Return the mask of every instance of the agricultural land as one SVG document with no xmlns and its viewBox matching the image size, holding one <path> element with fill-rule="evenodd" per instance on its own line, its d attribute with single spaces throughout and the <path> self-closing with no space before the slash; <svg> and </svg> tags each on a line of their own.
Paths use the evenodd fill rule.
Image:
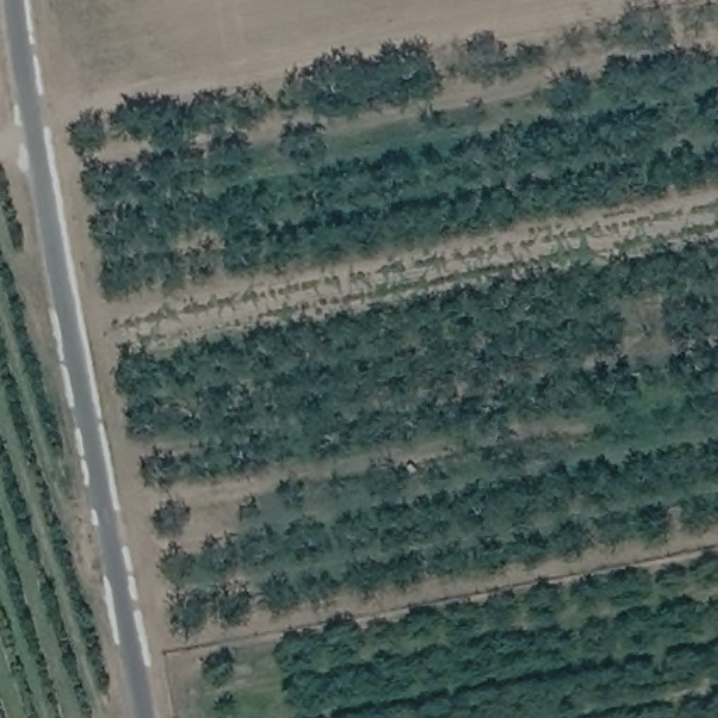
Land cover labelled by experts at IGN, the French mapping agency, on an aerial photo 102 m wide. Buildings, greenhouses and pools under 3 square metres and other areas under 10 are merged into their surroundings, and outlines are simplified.
<svg viewBox="0 0 718 718">
<path fill-rule="evenodd" d="M 11 112 L 20 104 L 8 45 L 6 0 L 0 0 L 0 132 L 11 123 Z"/>
<path fill-rule="evenodd" d="M 238 87 L 258 84 L 264 93 L 278 95 L 283 79 L 292 70 L 309 67 L 331 50 L 345 50 L 351 56 L 359 53 L 370 59 L 379 56 L 384 45 L 424 42 L 435 70 L 440 70 L 452 65 L 454 42 L 468 42 L 474 34 L 494 34 L 499 42 L 505 42 L 508 53 L 516 53 L 519 45 L 541 45 L 550 36 L 564 34 L 569 28 L 597 28 L 603 20 L 620 20 L 628 6 L 651 6 L 653 0 L 22 0 L 42 132 L 53 129 L 62 185 L 73 177 L 81 177 L 84 168 L 79 163 L 79 154 L 70 146 L 70 123 L 79 121 L 84 112 L 98 112 L 101 123 L 112 121 L 112 109 L 135 95 L 171 95 L 185 104 L 205 90 L 224 90 L 227 95 L 233 95 L 233 90 Z"/>
</svg>

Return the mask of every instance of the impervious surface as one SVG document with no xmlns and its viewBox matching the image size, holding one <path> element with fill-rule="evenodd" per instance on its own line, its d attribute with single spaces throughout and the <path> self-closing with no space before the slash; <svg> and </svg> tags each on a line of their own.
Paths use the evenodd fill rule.
<svg viewBox="0 0 718 718">
<path fill-rule="evenodd" d="M 98 513 L 101 547 L 109 578 L 121 637 L 121 659 L 129 682 L 135 718 L 154 718 L 143 665 L 132 614 L 115 510 L 109 502 L 95 412 L 87 387 L 87 370 L 73 314 L 73 297 L 65 269 L 42 132 L 22 0 L 6 0 L 8 45 L 20 104 L 31 168 L 45 258 L 76 401 L 79 429 L 84 438 L 90 485 L 90 502 Z"/>
</svg>

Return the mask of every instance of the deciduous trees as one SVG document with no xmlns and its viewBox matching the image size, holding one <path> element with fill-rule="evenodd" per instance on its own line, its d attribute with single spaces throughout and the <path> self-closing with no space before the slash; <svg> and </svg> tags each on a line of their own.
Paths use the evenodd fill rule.
<svg viewBox="0 0 718 718">
<path fill-rule="evenodd" d="M 95 614 L 81 589 L 67 530 L 53 508 L 45 471 L 36 460 L 31 426 L 22 409 L 17 379 L 8 367 L 8 351 L 0 331 L 0 381 L 6 387 L 6 401 L 20 438 L 20 449 L 39 491 L 39 505 L 50 533 L 53 555 L 65 572 L 79 631 L 87 645 L 90 668 L 101 690 L 109 687 L 109 673 L 101 653 Z"/>
<path fill-rule="evenodd" d="M 645 73 L 603 67 L 600 76 L 583 76 L 581 70 L 567 70 L 558 79 L 553 79 L 547 90 L 530 93 L 536 101 L 544 101 L 550 107 L 547 118 L 539 118 L 533 123 L 502 123 L 491 135 L 463 137 L 443 157 L 432 143 L 424 143 L 409 146 L 407 151 L 384 151 L 376 160 L 337 160 L 334 165 L 320 171 L 258 180 L 252 185 L 227 188 L 219 196 L 188 196 L 182 185 L 196 185 L 199 180 L 210 177 L 219 180 L 230 174 L 247 174 L 252 168 L 250 140 L 238 149 L 210 149 L 210 154 L 202 154 L 194 143 L 196 132 L 205 132 L 210 140 L 224 135 L 247 137 L 252 123 L 264 121 L 272 112 L 311 109 L 323 115 L 353 118 L 384 104 L 404 107 L 412 98 L 432 98 L 452 79 L 491 84 L 496 79 L 516 79 L 522 70 L 533 65 L 544 65 L 541 45 L 519 45 L 516 53 L 508 53 L 505 42 L 499 42 L 494 34 L 474 34 L 468 42 L 454 42 L 452 65 L 440 70 L 435 70 L 424 42 L 384 45 L 379 56 L 370 59 L 359 53 L 351 56 L 345 50 L 331 50 L 309 67 L 292 70 L 283 79 L 278 95 L 264 93 L 258 84 L 238 87 L 233 90 L 233 95 L 227 95 L 224 90 L 205 90 L 185 104 L 171 95 L 135 95 L 112 109 L 112 121 L 129 137 L 151 140 L 151 151 L 140 151 L 137 157 L 121 163 L 90 160 L 84 168 L 81 177 L 81 191 L 90 202 L 112 191 L 137 194 L 137 205 L 101 208 L 90 216 L 90 238 L 101 250 L 101 292 L 107 300 L 149 289 L 151 283 L 163 286 L 163 292 L 174 292 L 182 286 L 205 283 L 208 278 L 224 272 L 283 275 L 286 266 L 297 272 L 317 269 L 339 264 L 345 258 L 373 258 L 381 247 L 412 250 L 421 244 L 440 244 L 446 238 L 508 230 L 516 222 L 527 219 L 578 216 L 589 208 L 617 208 L 625 202 L 662 199 L 673 185 L 682 194 L 718 185 L 718 50 L 710 56 L 710 62 L 682 59 L 651 67 Z M 213 238 L 205 238 L 196 250 L 174 250 L 177 236 L 202 227 L 222 233 L 222 250 L 213 247 Z"/>
<path fill-rule="evenodd" d="M 62 457 L 65 452 L 59 432 L 59 409 L 65 404 L 65 398 L 56 404 L 45 393 L 42 365 L 25 325 L 25 303 L 17 292 L 14 272 L 0 250 L 0 283 L 3 294 L 8 297 L 14 337 L 20 345 L 25 373 L 31 379 L 31 393 L 39 409 L 50 454 Z"/>
<path fill-rule="evenodd" d="M 98 112 L 84 112 L 79 121 L 70 123 L 70 146 L 79 154 L 84 149 L 104 146 L 101 123 Z"/>
<path fill-rule="evenodd" d="M 690 600 L 690 606 L 665 611 L 656 620 L 620 623 L 617 617 L 586 617 L 581 625 L 569 628 L 569 639 L 496 639 L 494 648 L 471 648 L 471 637 L 480 637 L 485 631 L 516 628 L 516 611 L 527 611 L 530 625 L 541 628 L 558 625 L 558 611 L 575 603 L 611 603 L 614 611 L 625 611 L 634 606 L 659 606 L 668 597 L 687 597 L 684 575 L 665 575 L 662 581 L 656 581 L 656 569 L 634 567 L 628 578 L 611 581 L 609 586 L 578 589 L 575 583 L 547 583 L 547 589 L 539 589 L 539 583 L 533 583 L 527 592 L 491 589 L 491 597 L 482 600 L 485 609 L 449 611 L 449 606 L 435 606 L 429 617 L 415 617 L 407 625 L 398 625 L 395 620 L 376 625 L 370 620 L 367 625 L 356 623 L 353 628 L 339 625 L 325 639 L 280 637 L 272 645 L 272 651 L 283 676 L 286 704 L 292 707 L 294 718 L 718 718 L 718 597 Z M 693 684 L 701 676 L 707 676 L 712 684 L 704 696 L 665 701 L 665 690 Z"/>
<path fill-rule="evenodd" d="M 280 132 L 280 154 L 289 154 L 292 160 L 325 157 L 325 137 L 320 132 L 286 137 Z"/>
<path fill-rule="evenodd" d="M 224 684 L 233 676 L 233 653 L 222 648 L 205 656 L 202 662 L 202 676 L 210 684 Z"/>
<path fill-rule="evenodd" d="M 665 337 L 676 342 L 676 353 L 659 362 L 648 362 L 642 356 L 623 356 L 614 367 L 595 365 L 592 370 L 586 370 L 583 356 L 595 351 L 611 351 L 623 342 L 625 320 L 617 311 L 611 311 L 606 300 L 642 297 L 656 292 L 665 294 Z M 631 452 L 623 463 L 617 463 L 617 477 L 609 477 L 603 471 L 578 471 L 578 466 L 567 466 L 555 452 L 555 443 L 564 443 L 561 432 L 541 432 L 524 440 L 513 440 L 510 421 L 539 421 L 544 415 L 561 415 L 575 421 L 586 409 L 611 409 L 617 401 L 634 398 L 634 387 L 639 384 L 665 381 L 682 390 L 682 404 L 690 412 L 701 407 L 718 409 L 718 238 L 693 241 L 682 250 L 673 250 L 668 244 L 665 250 L 653 250 L 642 258 L 611 255 L 603 266 L 575 264 L 564 272 L 527 272 L 522 280 L 494 278 L 482 289 L 454 286 L 443 294 L 424 294 L 404 303 L 373 303 L 367 311 L 356 314 L 337 311 L 325 320 L 255 325 L 233 337 L 182 342 L 165 359 L 149 351 L 132 351 L 132 345 L 123 342 L 115 367 L 115 387 L 121 395 L 126 395 L 126 435 L 132 440 L 168 435 L 185 438 L 188 443 L 199 446 L 196 454 L 171 457 L 165 449 L 154 449 L 149 457 L 143 457 L 140 477 L 151 488 L 258 474 L 266 466 L 283 460 L 320 463 L 328 457 L 359 454 L 365 449 L 376 449 L 384 443 L 415 446 L 438 435 L 449 435 L 452 429 L 463 426 L 466 418 L 471 418 L 480 426 L 480 432 L 499 432 L 499 440 L 482 449 L 482 460 L 488 460 L 491 466 L 522 466 L 527 460 L 544 460 L 547 468 L 533 477 L 499 480 L 494 488 L 466 485 L 460 494 L 443 491 L 432 496 L 418 496 L 415 502 L 404 505 L 398 502 L 398 494 L 407 485 L 404 466 L 367 468 L 362 474 L 334 474 L 328 477 L 331 488 L 367 485 L 367 494 L 379 496 L 379 508 L 348 510 L 339 513 L 334 522 L 292 522 L 286 530 L 275 530 L 272 524 L 266 524 L 255 533 L 230 533 L 224 539 L 216 539 L 213 547 L 202 544 L 202 553 L 194 555 L 182 550 L 165 550 L 165 555 L 160 558 L 160 572 L 168 583 L 174 583 L 196 581 L 205 575 L 230 575 L 236 569 L 258 569 L 272 561 L 317 558 L 334 550 L 356 553 L 376 544 L 381 544 L 384 550 L 387 544 L 426 541 L 435 533 L 446 533 L 449 527 L 471 530 L 477 539 L 477 544 L 471 547 L 449 544 L 435 553 L 404 553 L 390 561 L 351 561 L 348 569 L 337 578 L 320 572 L 286 581 L 286 572 L 278 572 L 261 586 L 261 592 L 264 606 L 280 614 L 297 609 L 300 603 L 317 603 L 323 597 L 331 597 L 342 589 L 373 595 L 381 586 L 407 589 L 435 575 L 480 578 L 482 572 L 494 575 L 508 564 L 536 567 L 547 558 L 572 558 L 589 547 L 603 544 L 617 547 L 623 541 L 665 541 L 670 530 L 665 505 L 614 510 L 600 519 L 572 522 L 569 502 L 581 496 L 583 502 L 597 505 L 625 499 L 628 494 L 673 494 L 676 488 L 696 485 L 704 480 L 718 482 L 718 440 L 707 440 L 701 446 L 679 443 L 665 446 L 659 452 Z"/>
<path fill-rule="evenodd" d="M 17 208 L 11 202 L 6 168 L 0 163 L 0 199 L 11 233 L 11 247 L 22 250 L 22 227 L 17 219 Z"/>
<path fill-rule="evenodd" d="M 687 533 L 704 533 L 710 527 L 718 527 L 718 494 L 679 502 L 682 524 Z"/>
<path fill-rule="evenodd" d="M 93 701 L 76 665 L 56 586 L 42 564 L 31 513 L 14 474 L 11 454 L 0 435 L 0 718 L 93 718 Z"/>
<path fill-rule="evenodd" d="M 151 516 L 154 530 L 160 536 L 182 533 L 191 508 L 182 502 L 165 502 Z"/>
<path fill-rule="evenodd" d="M 227 583 L 222 583 L 210 592 L 188 592 L 177 603 L 171 603 L 171 625 L 182 631 L 196 631 L 208 617 L 219 617 L 230 625 L 238 625 L 250 614 L 250 592 L 230 595 Z"/>
<path fill-rule="evenodd" d="M 283 480 L 275 488 L 280 505 L 303 508 L 303 480 Z"/>
<path fill-rule="evenodd" d="M 679 50 L 668 22 L 670 14 L 679 14 L 684 28 L 693 31 L 704 31 L 707 25 L 718 28 L 718 0 L 653 0 L 651 6 L 628 6 L 620 20 L 603 20 L 597 28 L 569 28 L 564 34 L 564 42 L 578 56 L 583 56 L 583 42 L 603 42 L 648 45 L 648 53 L 656 56 Z"/>
</svg>

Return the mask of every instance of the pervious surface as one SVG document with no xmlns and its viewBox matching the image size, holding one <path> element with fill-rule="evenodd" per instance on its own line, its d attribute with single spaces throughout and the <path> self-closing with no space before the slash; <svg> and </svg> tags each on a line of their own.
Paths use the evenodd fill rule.
<svg viewBox="0 0 718 718">
<path fill-rule="evenodd" d="M 79 474 L 81 485 L 90 485 L 84 438 L 79 429 L 73 429 Z"/>
<path fill-rule="evenodd" d="M 31 168 L 20 104 L 11 112 L 11 123 L 0 132 L 0 163 L 6 168 Z"/>
<path fill-rule="evenodd" d="M 42 278 L 48 286 L 48 314 L 65 398 L 65 404 L 76 401 L 45 258 Z"/>
<path fill-rule="evenodd" d="M 87 387 L 95 412 L 109 502 L 115 510 L 121 508 L 121 496 L 115 485 L 107 429 L 98 426 L 101 395 L 87 339 L 62 185 L 53 129 L 42 132 L 65 269 L 73 297 L 73 314 L 87 370 Z"/>
<path fill-rule="evenodd" d="M 109 637 L 121 637 L 109 578 L 101 586 L 104 609 Z"/>
<path fill-rule="evenodd" d="M 143 665 L 151 662 L 149 634 L 143 611 L 132 614 Z"/>
</svg>

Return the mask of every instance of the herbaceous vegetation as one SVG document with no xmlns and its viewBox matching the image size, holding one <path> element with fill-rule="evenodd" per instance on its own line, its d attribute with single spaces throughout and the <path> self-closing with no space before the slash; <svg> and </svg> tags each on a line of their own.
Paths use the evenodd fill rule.
<svg viewBox="0 0 718 718">
<path fill-rule="evenodd" d="M 617 208 L 589 208 L 578 216 L 527 219 L 516 222 L 508 230 L 446 238 L 440 244 L 421 244 L 412 250 L 381 247 L 373 258 L 345 258 L 339 264 L 317 269 L 297 272 L 286 266 L 283 275 L 224 272 L 208 278 L 205 283 L 182 286 L 174 292 L 163 292 L 163 286 L 151 283 L 149 289 L 107 300 L 101 292 L 101 250 L 90 238 L 90 216 L 101 208 L 137 205 L 137 194 L 112 191 L 90 202 L 81 191 L 81 177 L 73 177 L 62 185 L 87 339 L 101 395 L 98 426 L 107 429 L 115 485 L 121 496 L 121 508 L 115 510 L 132 614 L 143 611 L 149 634 L 151 662 L 143 665 L 154 718 L 294 718 L 292 707 L 286 704 L 283 676 L 272 651 L 272 645 L 280 637 L 325 639 L 339 625 L 353 628 L 356 623 L 367 625 L 370 620 L 376 625 L 395 620 L 398 625 L 407 625 L 415 617 L 429 617 L 435 606 L 449 606 L 449 611 L 485 609 L 482 600 L 491 597 L 491 589 L 527 592 L 533 583 L 539 583 L 539 589 L 547 589 L 547 583 L 575 583 L 578 589 L 609 586 L 611 581 L 628 578 L 634 567 L 656 569 L 656 581 L 662 581 L 665 575 L 684 575 L 687 597 L 668 597 L 659 606 L 634 606 L 625 611 L 614 611 L 611 603 L 575 603 L 558 611 L 558 625 L 541 628 L 530 625 L 527 611 L 516 611 L 516 628 L 485 631 L 480 637 L 471 637 L 471 648 L 494 648 L 496 639 L 569 639 L 569 628 L 581 625 L 586 617 L 617 617 L 620 623 L 656 620 L 665 611 L 690 606 L 690 600 L 718 597 L 718 527 L 710 527 L 704 533 L 687 533 L 682 524 L 679 502 L 718 494 L 718 482 L 704 480 L 696 485 L 676 488 L 673 494 L 628 494 L 625 499 L 597 505 L 583 502 L 581 496 L 569 502 L 572 522 L 600 519 L 614 510 L 665 505 L 670 530 L 665 541 L 623 541 L 617 547 L 603 544 L 589 547 L 572 558 L 547 558 L 536 567 L 508 564 L 494 575 L 482 572 L 480 578 L 435 575 L 407 589 L 381 586 L 373 595 L 342 589 L 331 597 L 323 597 L 317 603 L 300 603 L 297 609 L 280 614 L 264 606 L 261 592 L 261 586 L 278 572 L 286 572 L 286 581 L 320 572 L 337 578 L 348 569 L 351 561 L 390 561 L 404 553 L 435 553 L 449 544 L 471 547 L 477 544 L 477 539 L 471 530 L 449 527 L 446 533 L 435 533 L 426 541 L 387 544 L 384 550 L 381 544 L 376 544 L 356 553 L 334 550 L 317 558 L 272 561 L 258 569 L 236 569 L 230 575 L 205 575 L 196 581 L 174 583 L 168 583 L 160 572 L 160 558 L 165 555 L 165 550 L 182 550 L 194 555 L 202 553 L 202 544 L 213 547 L 216 539 L 224 539 L 230 533 L 255 533 L 266 524 L 272 524 L 275 530 L 286 530 L 292 522 L 334 522 L 339 513 L 348 510 L 379 508 L 379 496 L 367 494 L 367 485 L 331 488 L 328 477 L 334 474 L 362 474 L 367 468 L 404 466 L 407 485 L 398 494 L 398 502 L 404 505 L 415 502 L 418 496 L 432 496 L 443 491 L 460 494 L 466 485 L 494 488 L 499 480 L 533 477 L 547 468 L 544 460 L 527 460 L 522 466 L 491 466 L 488 460 L 482 460 L 482 449 L 499 440 L 499 432 L 480 432 L 480 426 L 471 418 L 466 418 L 463 426 L 452 429 L 449 435 L 438 435 L 415 446 L 384 443 L 376 449 L 365 449 L 359 454 L 328 457 L 320 463 L 283 460 L 266 466 L 258 474 L 151 488 L 140 477 L 143 457 L 149 457 L 154 449 L 165 449 L 171 457 L 196 454 L 199 446 L 188 443 L 185 438 L 168 435 L 132 440 L 126 435 L 126 395 L 121 395 L 115 387 L 115 367 L 123 342 L 132 345 L 132 351 L 149 351 L 165 359 L 182 342 L 233 337 L 255 325 L 325 320 L 337 311 L 356 314 L 367 311 L 373 303 L 404 303 L 424 294 L 443 294 L 454 286 L 482 289 L 494 278 L 522 280 L 527 272 L 564 272 L 575 264 L 603 266 L 611 255 L 642 258 L 653 250 L 665 250 L 668 244 L 673 250 L 682 250 L 693 241 L 718 238 L 718 185 L 682 194 L 673 185 L 662 199 L 625 202 Z M 280 505 L 275 488 L 283 480 L 303 480 L 303 508 Z M 154 530 L 151 516 L 165 502 L 182 502 L 191 508 L 182 533 L 160 536 Z M 250 614 L 238 625 L 230 625 L 219 617 L 208 617 L 196 631 L 182 631 L 171 625 L 171 603 L 177 603 L 188 592 L 210 592 L 222 583 L 227 583 L 230 595 L 250 592 Z M 210 684 L 202 676 L 202 662 L 205 656 L 222 648 L 233 653 L 233 676 L 224 684 Z"/>
<path fill-rule="evenodd" d="M 561 432 L 564 443 L 555 443 L 555 452 L 567 466 L 578 466 L 578 471 L 603 471 L 609 477 L 617 477 L 617 463 L 623 463 L 631 452 L 659 452 L 665 446 L 679 443 L 701 446 L 707 440 L 718 440 L 718 409 L 701 407 L 690 412 L 682 404 L 682 390 L 665 381 L 639 384 L 634 387 L 634 398 L 617 401 L 611 409 L 586 409 L 575 421 L 561 415 L 544 415 L 539 421 L 510 421 L 513 440 L 524 440 L 541 432 Z"/>
<path fill-rule="evenodd" d="M 611 351 L 595 351 L 583 356 L 586 370 L 592 370 L 595 365 L 614 367 L 623 356 L 642 356 L 648 362 L 659 362 L 676 353 L 676 342 L 665 337 L 665 294 L 656 292 L 642 297 L 606 300 L 611 311 L 617 311 L 625 320 L 623 342 Z"/>
<path fill-rule="evenodd" d="M 84 168 L 90 160 L 121 163 L 137 157 L 140 151 L 151 151 L 151 140 L 129 137 L 112 121 L 101 123 L 104 146 L 84 149 L 79 154 L 79 163 Z"/>
<path fill-rule="evenodd" d="M 0 199 L 0 250 L 14 272 L 17 292 L 25 303 L 25 325 L 42 365 L 45 393 L 56 404 L 65 398 L 48 314 L 48 286 L 42 278 L 45 258 L 31 168 L 6 168 L 11 202 L 17 208 L 17 219 L 22 227 L 22 250 L 11 247 L 11 233 Z"/>
<path fill-rule="evenodd" d="M 59 432 L 65 452 L 62 457 L 50 454 L 39 409 L 31 393 L 31 379 L 25 373 L 20 345 L 14 337 L 8 297 L 3 294 L 0 283 L 0 331 L 8 351 L 8 367 L 17 379 L 22 409 L 31 426 L 36 460 L 45 471 L 53 508 L 67 530 L 81 589 L 95 614 L 101 653 L 109 673 L 109 687 L 101 690 L 90 668 L 87 645 L 79 631 L 65 572 L 53 555 L 50 533 L 39 505 L 39 491 L 20 449 L 20 438 L 6 401 L 6 387 L 0 381 L 0 435 L 11 454 L 14 474 L 31 513 L 42 564 L 56 586 L 76 665 L 93 701 L 93 718 L 135 718 L 129 682 L 121 659 L 121 637 L 109 637 L 104 609 L 101 586 L 109 578 L 101 547 L 98 513 L 90 502 L 90 485 L 81 485 L 79 474 L 73 429 L 79 429 L 76 401 L 65 404 L 59 409 Z"/>
<path fill-rule="evenodd" d="M 210 177 L 199 180 L 196 185 L 182 185 L 188 196 L 219 196 L 227 188 L 252 185 L 258 180 L 320 171 L 334 165 L 337 160 L 376 160 L 384 151 L 407 151 L 409 146 L 424 143 L 432 143 L 443 157 L 463 137 L 491 135 L 502 123 L 533 123 L 539 118 L 547 118 L 550 107 L 544 101 L 536 101 L 530 93 L 547 90 L 553 79 L 558 79 L 567 70 L 581 70 L 583 76 L 600 76 L 603 67 L 645 73 L 651 67 L 682 59 L 710 62 L 710 56 L 718 50 L 718 28 L 707 25 L 704 31 L 693 31 L 684 28 L 679 14 L 670 14 L 668 22 L 679 50 L 656 56 L 648 53 L 648 45 L 603 42 L 583 42 L 583 56 L 578 56 L 564 42 L 564 34 L 550 36 L 541 45 L 544 65 L 533 65 L 522 70 L 516 79 L 496 79 L 491 84 L 452 79 L 432 98 L 412 98 L 404 107 L 384 104 L 353 118 L 323 115 L 311 109 L 272 112 L 264 121 L 252 123 L 247 137 L 224 135 L 210 140 L 205 132 L 196 132 L 194 143 L 202 154 L 210 154 L 210 149 L 238 149 L 250 140 L 252 168 L 247 174 L 230 174 L 219 180 Z M 320 132 L 325 137 L 325 157 L 292 160 L 289 154 L 280 154 L 280 132 L 286 137 Z"/>
<path fill-rule="evenodd" d="M 665 701 L 704 696 L 712 684 L 707 676 L 701 676 L 693 684 L 665 690 Z"/>
<path fill-rule="evenodd" d="M 177 236 L 174 250 L 196 250 L 205 238 L 213 238 L 213 247 L 222 250 L 222 233 L 202 227 Z"/>
</svg>

